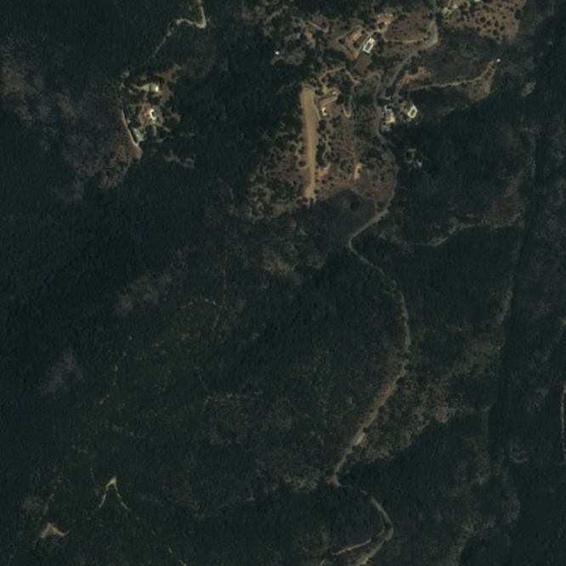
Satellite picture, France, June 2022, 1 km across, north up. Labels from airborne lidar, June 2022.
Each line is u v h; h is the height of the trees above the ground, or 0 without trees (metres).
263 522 7
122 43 6
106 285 12
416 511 8
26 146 7
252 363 14
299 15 7
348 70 8
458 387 9
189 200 8
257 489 7
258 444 8
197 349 11
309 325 11
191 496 6
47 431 8
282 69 9
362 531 8
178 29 8
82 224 11
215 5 7
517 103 10
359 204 8
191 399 7
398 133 6
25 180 8
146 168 8
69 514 10
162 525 11
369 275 11
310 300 10
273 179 6
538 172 6
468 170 8
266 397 7
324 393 8
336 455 6
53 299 16
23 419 11
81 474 9
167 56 6
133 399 8
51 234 8
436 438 7
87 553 9
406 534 6
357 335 9
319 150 8
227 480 7
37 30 8
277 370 9
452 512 9
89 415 11
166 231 9
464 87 8
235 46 10
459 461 9
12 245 8
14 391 8
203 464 6
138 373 9
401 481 11
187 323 10
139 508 12
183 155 10
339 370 8
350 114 0
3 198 6
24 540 8
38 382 6
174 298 6
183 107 17
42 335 15
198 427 6
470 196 8
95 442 11
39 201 6
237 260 7
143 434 9
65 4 11
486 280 6
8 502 9
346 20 7
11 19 8
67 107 0
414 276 6
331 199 8
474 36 6
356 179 0
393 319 8
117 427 6
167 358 9
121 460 8
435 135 8
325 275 10
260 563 7
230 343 12
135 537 9
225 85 17
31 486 8
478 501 6
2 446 11
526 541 7
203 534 10
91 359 7
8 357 14
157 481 8
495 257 7
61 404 8
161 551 10
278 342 16
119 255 17
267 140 7
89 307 14
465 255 9
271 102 8
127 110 7
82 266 16
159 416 10
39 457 7
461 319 7
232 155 8
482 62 7
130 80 8
